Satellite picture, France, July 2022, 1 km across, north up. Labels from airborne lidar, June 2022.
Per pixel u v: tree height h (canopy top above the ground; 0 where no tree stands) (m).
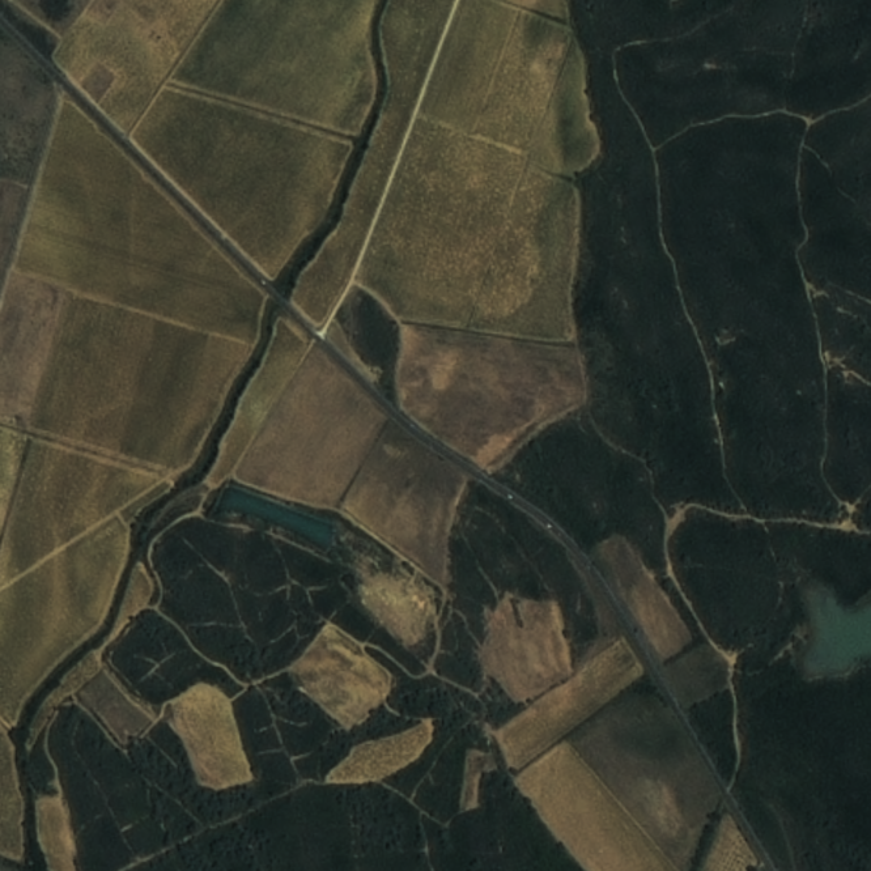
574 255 0
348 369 0
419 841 7
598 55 0
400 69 0
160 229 0
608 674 0
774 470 7
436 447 0
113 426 0
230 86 0
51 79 0
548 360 0
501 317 0
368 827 9
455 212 0
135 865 0
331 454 0
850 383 0
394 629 0
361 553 0
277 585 0
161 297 0
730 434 8
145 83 0
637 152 0
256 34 0
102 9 0
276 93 0
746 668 11
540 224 0
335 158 0
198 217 0
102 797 0
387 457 0
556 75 0
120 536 0
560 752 0
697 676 0
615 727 0
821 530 6
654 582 0
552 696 0
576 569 0
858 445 7
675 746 0
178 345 0
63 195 0
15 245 0
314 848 0
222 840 10
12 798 0
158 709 0
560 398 0
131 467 0
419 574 0
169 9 0
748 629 8
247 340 0
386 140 0
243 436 0
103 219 0
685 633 0
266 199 0
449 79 0
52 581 0
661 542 0
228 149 0
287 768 0
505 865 0
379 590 0
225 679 9
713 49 0
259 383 0
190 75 0
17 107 0
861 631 0
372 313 0
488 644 0
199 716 0
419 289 0
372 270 0
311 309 0
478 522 0
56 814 0
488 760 0
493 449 0
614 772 0
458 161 0
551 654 0
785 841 0
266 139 0
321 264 0
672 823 0
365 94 0
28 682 0
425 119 0
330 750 8
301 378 0
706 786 0
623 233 0
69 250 0
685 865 0
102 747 11
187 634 0
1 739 0
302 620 8
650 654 0
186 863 7
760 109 0
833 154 0
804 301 0
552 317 0
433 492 0
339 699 0
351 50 0
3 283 0
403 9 0
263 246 0
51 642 0
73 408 0
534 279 0
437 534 0
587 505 0
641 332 0
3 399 0
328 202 0
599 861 0
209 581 0
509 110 0
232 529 0
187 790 7
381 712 9
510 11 0
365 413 0
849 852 9
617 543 0
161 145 0
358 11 0
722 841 0
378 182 0
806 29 8
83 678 0
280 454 0
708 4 9
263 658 7
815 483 5
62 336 0
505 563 0
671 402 9
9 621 0
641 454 7
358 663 0
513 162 0
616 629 0
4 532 0
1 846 0
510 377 0
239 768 0
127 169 0
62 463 0
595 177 0
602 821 0
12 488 0
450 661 0
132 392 0
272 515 0
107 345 0
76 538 0
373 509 0
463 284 0
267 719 0
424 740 0
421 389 0
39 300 0
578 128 0
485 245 0
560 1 0
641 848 0
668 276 0
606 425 0
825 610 0
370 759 0
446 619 0
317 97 0
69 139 0
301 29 0
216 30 0
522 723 0
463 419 0
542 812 0
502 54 0
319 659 0
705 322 0
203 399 0
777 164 0
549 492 7
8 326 0
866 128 0
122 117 0
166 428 0
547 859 0
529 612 0
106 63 0
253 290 0
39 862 10
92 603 0
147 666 0
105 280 0
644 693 7
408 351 0
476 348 0
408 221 0
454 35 0
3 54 0
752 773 0
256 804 13
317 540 0
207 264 0
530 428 0
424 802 0
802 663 0
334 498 0
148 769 12
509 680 0
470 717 9
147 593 0
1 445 0
